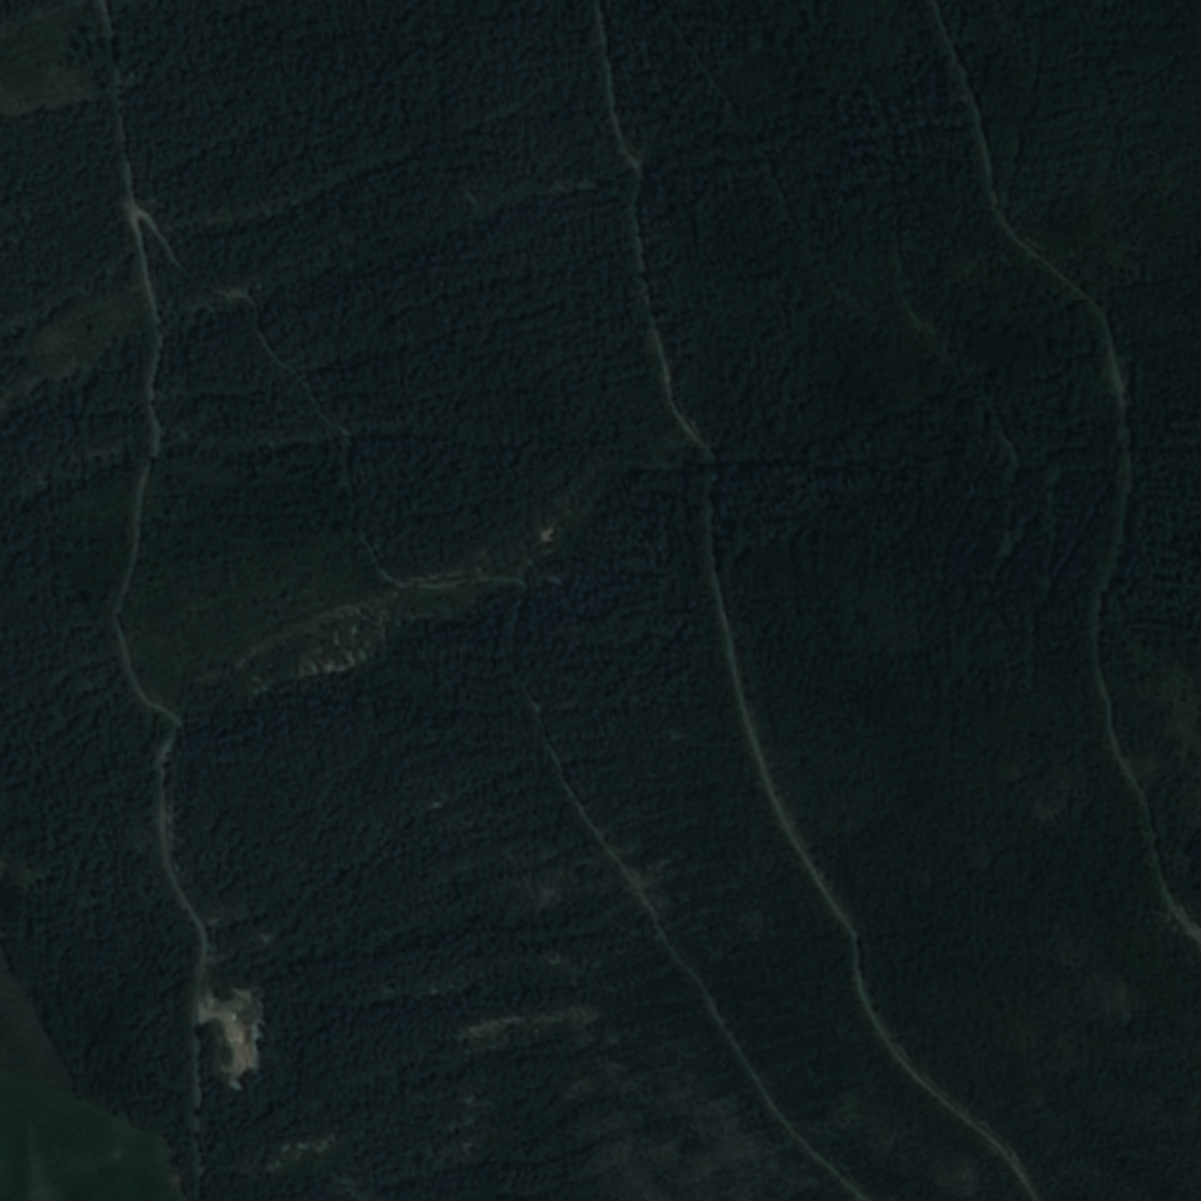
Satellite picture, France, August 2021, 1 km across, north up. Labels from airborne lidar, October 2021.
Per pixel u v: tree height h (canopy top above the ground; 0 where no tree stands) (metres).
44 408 11
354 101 11
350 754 11
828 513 7
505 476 19
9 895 19
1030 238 10
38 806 9
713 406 8
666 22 13
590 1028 6
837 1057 7
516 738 11
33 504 9
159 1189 0
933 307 8
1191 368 9
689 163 8
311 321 16
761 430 9
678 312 7
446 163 11
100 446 7
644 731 6
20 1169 0
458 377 11
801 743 5
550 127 8
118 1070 15
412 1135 6
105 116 11
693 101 10
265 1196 12
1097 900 6
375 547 12
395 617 7
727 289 11
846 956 7
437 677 10
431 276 12
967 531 11
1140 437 9
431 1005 8
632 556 6
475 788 8
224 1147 11
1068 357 7
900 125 18
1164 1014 7
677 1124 6
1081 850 7
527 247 9
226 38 10
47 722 12
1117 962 6
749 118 6
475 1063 8
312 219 8
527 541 11
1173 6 13
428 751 11
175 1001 11
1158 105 9
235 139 9
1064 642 8
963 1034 6
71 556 7
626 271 13
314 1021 11
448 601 7
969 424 12
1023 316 9
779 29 12
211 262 8
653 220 7
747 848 6
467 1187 9
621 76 10
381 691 11
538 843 10
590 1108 6
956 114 24
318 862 13
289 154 13
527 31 14
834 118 9
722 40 12
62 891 9
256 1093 12
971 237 10
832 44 8
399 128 11
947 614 5
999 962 5
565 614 9
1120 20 12
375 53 12
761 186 9
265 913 6
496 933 10
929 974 7
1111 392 8
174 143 11
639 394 7
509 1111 7
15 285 12
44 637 9
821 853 6
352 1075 12
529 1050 8
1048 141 7
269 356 8
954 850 6
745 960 8
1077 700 8
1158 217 6
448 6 8
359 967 10
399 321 14
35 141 8
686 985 7
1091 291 7
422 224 7
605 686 6
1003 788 6
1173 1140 6
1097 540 16
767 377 14
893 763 6
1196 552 7
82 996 16
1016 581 9
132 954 10
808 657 6
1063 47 10
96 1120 0
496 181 11
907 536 6
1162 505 15
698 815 6
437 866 9
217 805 13
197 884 6
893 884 6
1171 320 11
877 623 8
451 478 12
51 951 15
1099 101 6
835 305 7
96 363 7
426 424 12
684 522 7
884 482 19
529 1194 12
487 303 10
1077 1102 6
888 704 10
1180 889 8
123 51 13
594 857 8
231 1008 0
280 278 15
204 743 12
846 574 7
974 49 14
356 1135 11
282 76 10
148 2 8
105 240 12
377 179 13
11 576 15
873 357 7
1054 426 7
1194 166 6
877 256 6
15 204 10
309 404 9
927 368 13
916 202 11
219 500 9
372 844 7
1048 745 5
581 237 9
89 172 10
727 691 7
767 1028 6
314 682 9
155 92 9
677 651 12
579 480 10
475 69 13
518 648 10
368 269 11
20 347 12
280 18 11
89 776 11
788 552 9
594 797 5
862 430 15
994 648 7
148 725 9
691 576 9
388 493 18
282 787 14
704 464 7
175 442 8
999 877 6
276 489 7
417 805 8
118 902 11
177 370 10
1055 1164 5
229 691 11
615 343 7
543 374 7
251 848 11
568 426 9
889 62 14
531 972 12
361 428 9
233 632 7
